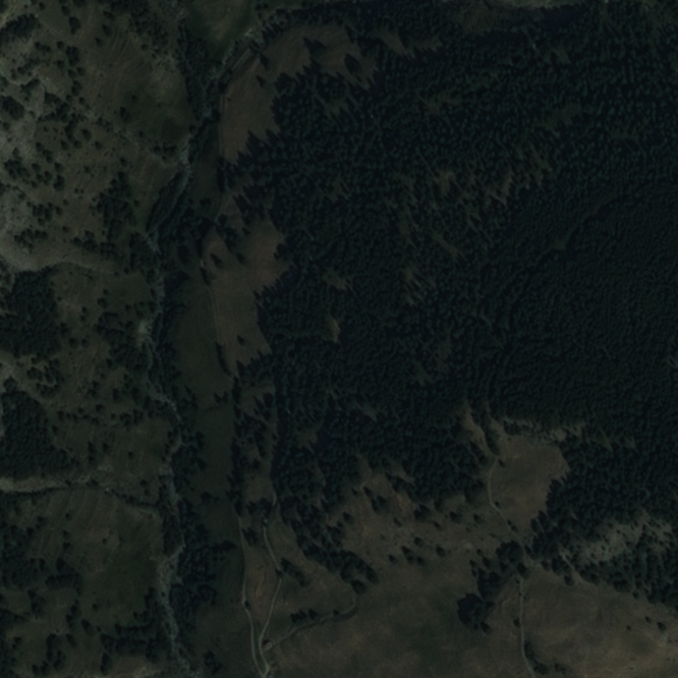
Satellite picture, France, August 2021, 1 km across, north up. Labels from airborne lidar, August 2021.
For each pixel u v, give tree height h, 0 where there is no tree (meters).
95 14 0
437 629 0
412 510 0
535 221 22
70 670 0
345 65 0
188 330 0
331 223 24
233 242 15
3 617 26
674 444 16
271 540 0
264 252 0
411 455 22
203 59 8
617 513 14
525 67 20
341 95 17
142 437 0
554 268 21
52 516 0
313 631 0
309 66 0
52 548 0
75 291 0
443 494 19
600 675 0
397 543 0
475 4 0
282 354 23
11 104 17
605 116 9
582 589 0
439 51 0
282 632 0
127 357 19
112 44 0
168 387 16
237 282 0
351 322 27
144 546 0
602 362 17
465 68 15
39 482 0
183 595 17
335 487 23
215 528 0
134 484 0
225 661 0
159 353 10
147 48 12
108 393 0
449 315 24
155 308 12
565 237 24
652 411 20
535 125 11
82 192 7
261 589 0
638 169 20
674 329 17
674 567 17
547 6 0
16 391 11
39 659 0
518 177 19
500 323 22
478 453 20
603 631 0
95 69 0
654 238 24
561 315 15
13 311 24
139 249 19
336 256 24
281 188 23
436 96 25
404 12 15
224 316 0
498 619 0
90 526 0
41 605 17
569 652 0
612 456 17
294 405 21
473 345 21
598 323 19
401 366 22
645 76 23
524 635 0
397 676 0
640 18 15
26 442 24
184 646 7
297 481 28
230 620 0
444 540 0
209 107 7
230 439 0
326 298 26
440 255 23
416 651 0
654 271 19
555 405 21
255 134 0
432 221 25
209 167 0
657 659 0
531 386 22
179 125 0
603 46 29
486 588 21
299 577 19
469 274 19
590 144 17
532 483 0
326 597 0
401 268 21
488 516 0
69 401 0
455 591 0
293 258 15
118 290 0
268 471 0
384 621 0
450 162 18
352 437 22
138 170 0
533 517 0
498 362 16
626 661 0
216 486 0
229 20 0
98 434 0
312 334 24
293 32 0
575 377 22
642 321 8
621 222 19
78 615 20
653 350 17
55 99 12
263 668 0
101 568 0
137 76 0
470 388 16
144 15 13
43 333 24
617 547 0
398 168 15
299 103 24
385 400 24
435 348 17
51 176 17
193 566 13
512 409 12
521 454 0
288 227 22
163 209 13
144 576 0
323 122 20
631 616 0
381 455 19
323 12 15
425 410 22
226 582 0
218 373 0
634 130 22
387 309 28
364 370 24
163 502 15
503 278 18
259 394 0
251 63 0
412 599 0
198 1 0
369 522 0
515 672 0
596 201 19
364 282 27
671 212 22
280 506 0
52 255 0
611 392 18
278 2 0
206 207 11
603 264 21
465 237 19
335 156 29
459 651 0
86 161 0
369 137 17
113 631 0
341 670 0
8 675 20
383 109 18
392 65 17
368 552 0
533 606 0
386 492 0
